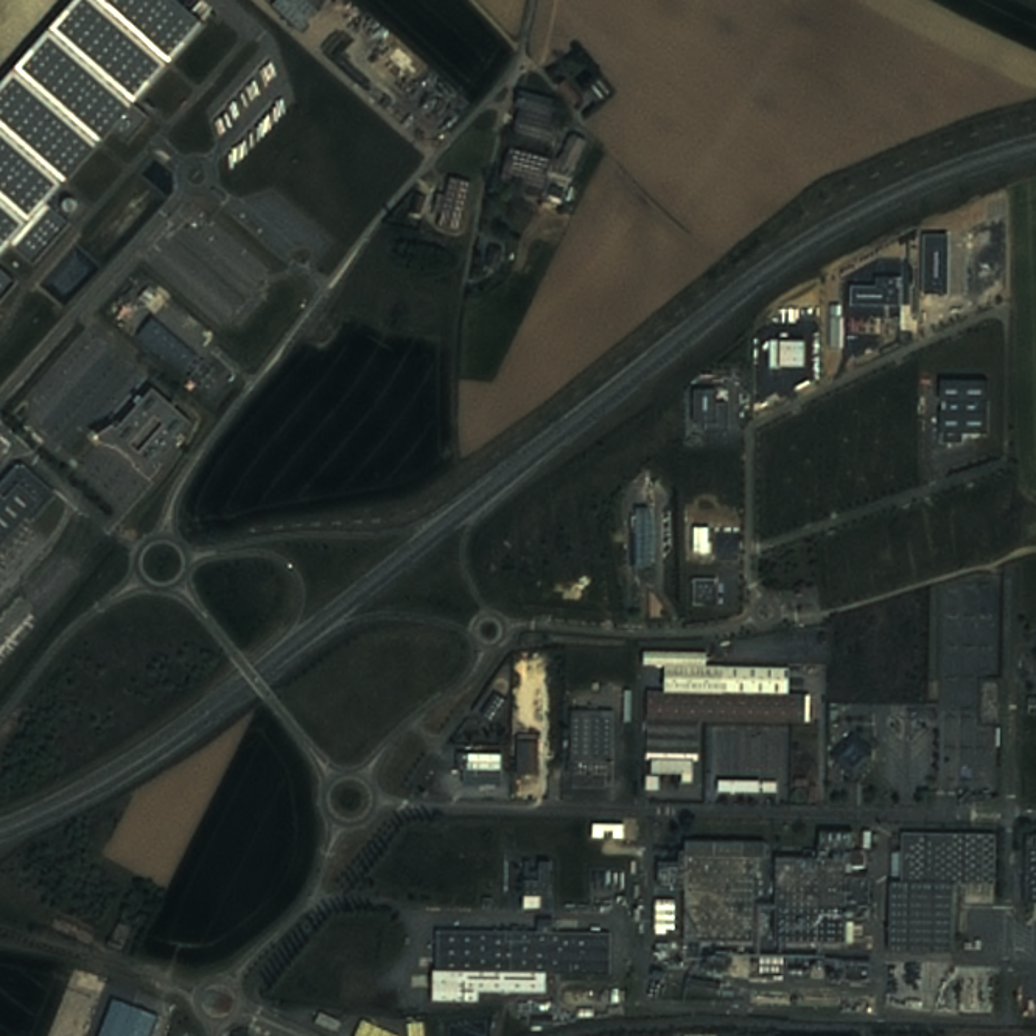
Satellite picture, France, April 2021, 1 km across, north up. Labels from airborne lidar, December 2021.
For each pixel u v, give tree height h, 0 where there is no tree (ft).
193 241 0
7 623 0
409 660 0
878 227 0
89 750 0
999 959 0
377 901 0
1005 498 0
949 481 0
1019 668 0
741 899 0
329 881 0
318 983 0
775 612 0
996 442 0
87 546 0
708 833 0
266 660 0
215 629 0
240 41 0
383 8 0
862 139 0
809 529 0
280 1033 0
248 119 0
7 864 0
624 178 0
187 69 0
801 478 0
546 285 0
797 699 0
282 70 0
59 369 0
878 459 0
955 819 0
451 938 0
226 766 0
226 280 0
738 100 0
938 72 0
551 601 0
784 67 0
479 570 0
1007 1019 0
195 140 0
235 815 0
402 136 0
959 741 0
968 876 0
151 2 0
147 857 0
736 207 0
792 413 0
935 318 0
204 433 0
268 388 0
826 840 0
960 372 0
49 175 0
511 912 0
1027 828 39
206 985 0
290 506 0
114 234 0
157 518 0
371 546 0
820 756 0
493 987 0
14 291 0
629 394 0
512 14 0
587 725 0
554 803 0
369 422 0
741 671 0
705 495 0
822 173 0
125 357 0
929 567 0
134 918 21
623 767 0
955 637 0
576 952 0
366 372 0
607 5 0
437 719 0
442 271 23
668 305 0
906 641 0
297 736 0
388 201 0
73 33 0
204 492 0
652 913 0
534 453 0
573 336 0
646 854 0
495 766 0
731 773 0
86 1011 0
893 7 0
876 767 0
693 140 0
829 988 0
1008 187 0
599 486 0
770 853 0
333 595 0
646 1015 0
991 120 0
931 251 0
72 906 28
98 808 0
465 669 0
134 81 0
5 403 0
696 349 0
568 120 0
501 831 0
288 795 0
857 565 0
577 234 0
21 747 24
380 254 0
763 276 0
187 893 0
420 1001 0
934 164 0
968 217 0
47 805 0
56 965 0
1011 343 0
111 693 0
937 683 0
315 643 0
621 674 0
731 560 0
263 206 0
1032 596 0
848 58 0
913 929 0
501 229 49
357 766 0
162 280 0
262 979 0
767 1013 0
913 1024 0
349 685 0
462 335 0
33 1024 0
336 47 0
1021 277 0
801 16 0
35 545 0
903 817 0
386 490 0
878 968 0
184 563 0
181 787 0
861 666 0
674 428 0
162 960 0
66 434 0
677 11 0
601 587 0
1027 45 0
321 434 0
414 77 0
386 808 0
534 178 0
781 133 0
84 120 0
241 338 0
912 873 0
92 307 0
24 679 0
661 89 0
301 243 0
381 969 0
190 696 0
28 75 0
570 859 0
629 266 0
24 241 0
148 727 0
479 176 0
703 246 0
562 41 0
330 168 0
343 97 0
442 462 0
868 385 0
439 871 0
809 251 0
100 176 0
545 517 0
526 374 0
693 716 0
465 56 0
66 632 0
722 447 0
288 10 0
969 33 0
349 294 0
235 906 0
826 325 0
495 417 0
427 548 0
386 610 0
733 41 0
